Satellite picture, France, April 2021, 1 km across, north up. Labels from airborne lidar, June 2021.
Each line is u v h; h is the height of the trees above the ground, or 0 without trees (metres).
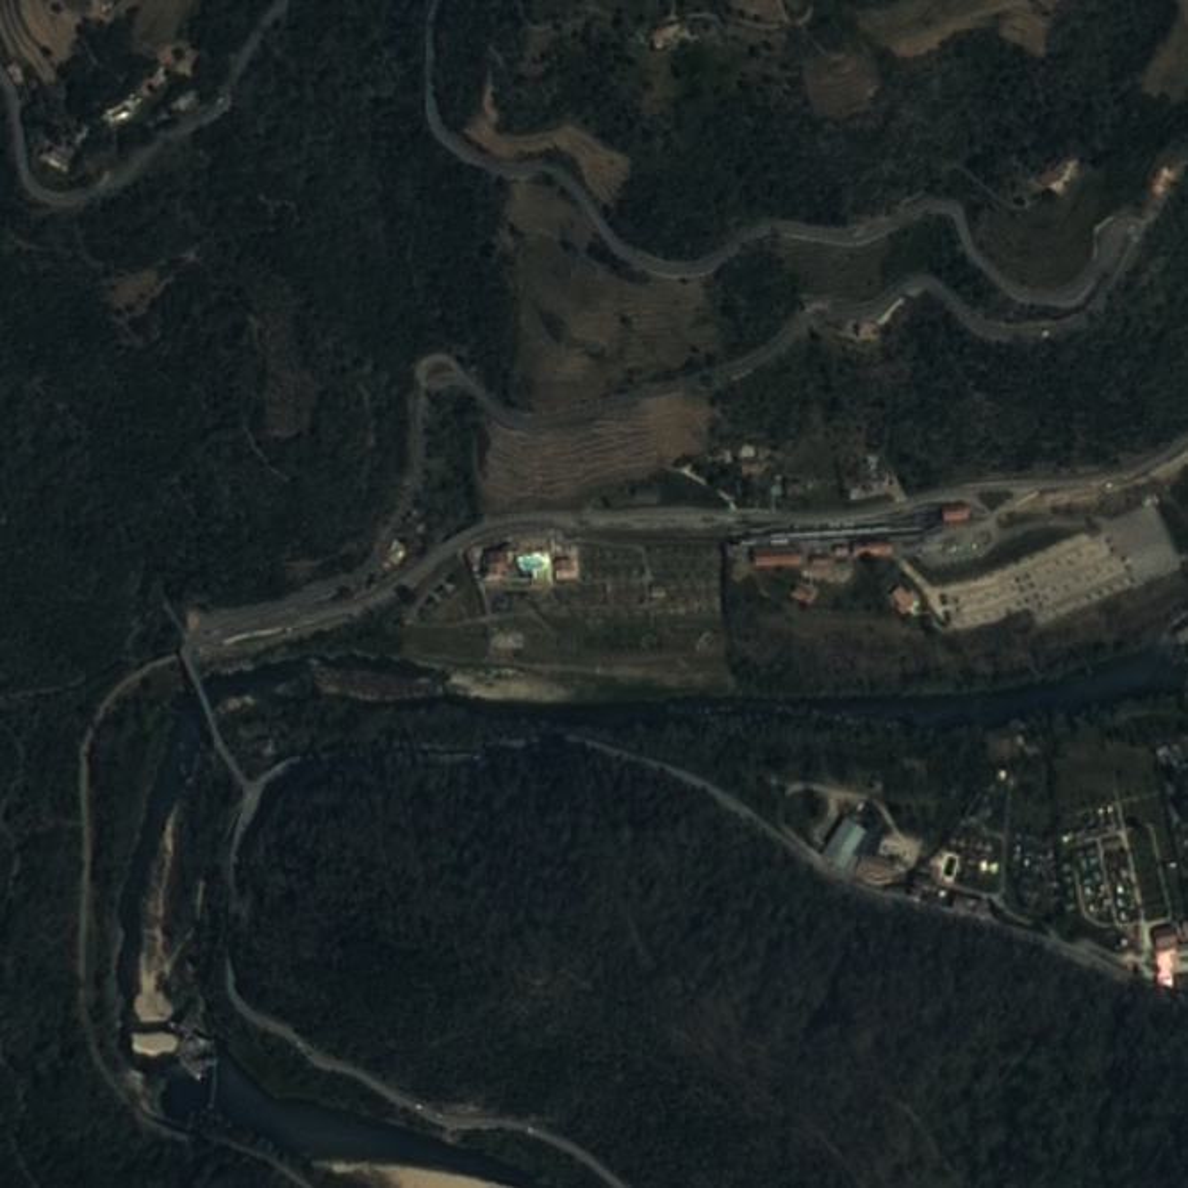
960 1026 18
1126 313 11
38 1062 14
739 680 6
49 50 7
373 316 9
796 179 9
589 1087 7
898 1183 19
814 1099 18
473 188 17
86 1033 16
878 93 8
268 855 10
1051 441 7
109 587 10
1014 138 9
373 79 36
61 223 6
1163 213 14
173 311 8
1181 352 7
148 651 14
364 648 6
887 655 6
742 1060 17
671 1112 8
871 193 7
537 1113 10
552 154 11
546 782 10
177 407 9
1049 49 8
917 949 17
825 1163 8
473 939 7
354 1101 13
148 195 9
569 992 10
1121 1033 27
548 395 0
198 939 17
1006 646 9
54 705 9
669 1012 16
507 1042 10
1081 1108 20
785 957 12
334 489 12
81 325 9
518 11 15
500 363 8
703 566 5
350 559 8
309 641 7
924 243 10
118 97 6
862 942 10
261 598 9
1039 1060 19
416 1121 16
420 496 13
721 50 0
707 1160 7
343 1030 9
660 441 0
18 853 8
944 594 0
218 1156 9
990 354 11
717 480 14
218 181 14
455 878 15
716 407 12
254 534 9
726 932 12
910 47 0
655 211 7
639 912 14
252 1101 0
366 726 22
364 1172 0
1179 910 7
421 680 7
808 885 22
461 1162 0
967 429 8
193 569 8
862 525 0
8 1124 10
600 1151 7
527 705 0
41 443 10
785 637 7
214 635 0
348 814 14
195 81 8
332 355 15
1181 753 14
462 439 14
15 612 7
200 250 8
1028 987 19
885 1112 21
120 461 7
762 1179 8
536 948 17
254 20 18
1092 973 11
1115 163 9
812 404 20
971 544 0
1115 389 11
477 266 10
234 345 10
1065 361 10
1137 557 0
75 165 9
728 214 15
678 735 29
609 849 15
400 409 7
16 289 10
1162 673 0
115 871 9
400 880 16
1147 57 8
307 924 13
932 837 14
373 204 14
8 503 9
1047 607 0
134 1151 9
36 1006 8
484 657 0
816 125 9
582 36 7
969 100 8
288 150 13
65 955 8
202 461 10
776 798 22
